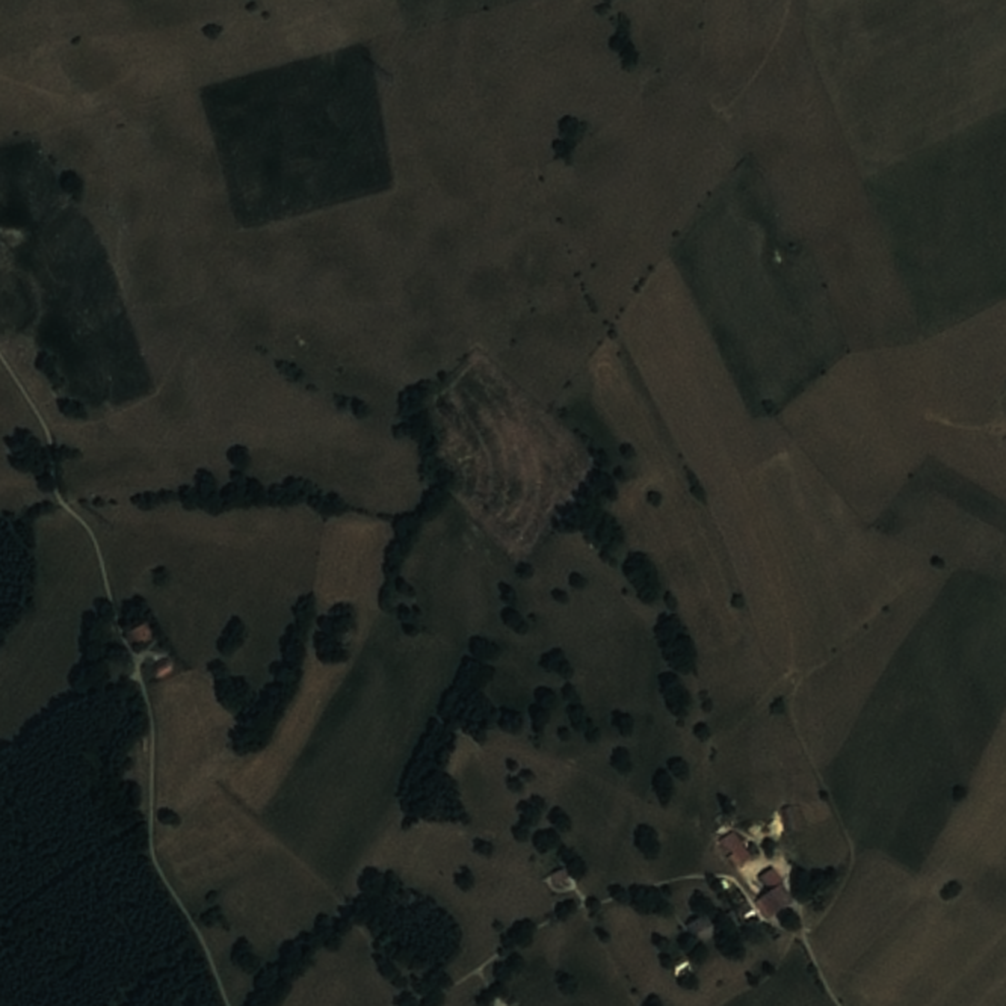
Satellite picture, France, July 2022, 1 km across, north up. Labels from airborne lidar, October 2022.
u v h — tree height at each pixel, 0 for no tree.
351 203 0
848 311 0
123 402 0
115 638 0
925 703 0
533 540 0
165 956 16
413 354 0
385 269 0
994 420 0
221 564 0
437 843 0
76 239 0
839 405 0
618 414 0
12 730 0
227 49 0
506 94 0
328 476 0
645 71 0
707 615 0
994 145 0
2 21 0
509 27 0
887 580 0
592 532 11
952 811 0
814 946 0
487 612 0
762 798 0
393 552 14
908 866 0
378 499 0
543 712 19
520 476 0
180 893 0
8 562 22
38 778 23
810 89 0
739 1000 0
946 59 0
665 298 0
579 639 0
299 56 0
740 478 0
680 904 0
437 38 0
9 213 0
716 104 0
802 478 0
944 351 0
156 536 0
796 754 0
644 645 0
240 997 0
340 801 0
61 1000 25
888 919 0
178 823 18
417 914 22
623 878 0
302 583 0
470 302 0
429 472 13
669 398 0
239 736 15
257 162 0
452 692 10
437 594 0
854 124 0
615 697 0
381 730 0
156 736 0
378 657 0
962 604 0
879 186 0
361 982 0
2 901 23
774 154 0
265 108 0
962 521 0
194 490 8
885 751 0
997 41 0
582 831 0
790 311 0
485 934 0
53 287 0
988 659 0
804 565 0
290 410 0
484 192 0
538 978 0
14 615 26
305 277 0
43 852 24
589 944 0
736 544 0
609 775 0
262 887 0
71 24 0
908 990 0
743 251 0
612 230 0
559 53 0
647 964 0
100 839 25
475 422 0
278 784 0
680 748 0
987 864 0
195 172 0
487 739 15
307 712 0
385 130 0
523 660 0
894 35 0
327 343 0
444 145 0
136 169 0
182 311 0
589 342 0
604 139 0
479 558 0
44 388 0
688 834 0
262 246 0
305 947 11
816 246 0
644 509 0
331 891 0
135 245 0
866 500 0
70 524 0
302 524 0
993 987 0
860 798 0
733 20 0
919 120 0
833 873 13
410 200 0
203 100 0
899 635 0
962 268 0
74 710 24
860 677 0
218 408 0
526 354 0
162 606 0
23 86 0
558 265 0
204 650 0
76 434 0
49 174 0
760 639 0
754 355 0
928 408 0
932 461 0
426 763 19
